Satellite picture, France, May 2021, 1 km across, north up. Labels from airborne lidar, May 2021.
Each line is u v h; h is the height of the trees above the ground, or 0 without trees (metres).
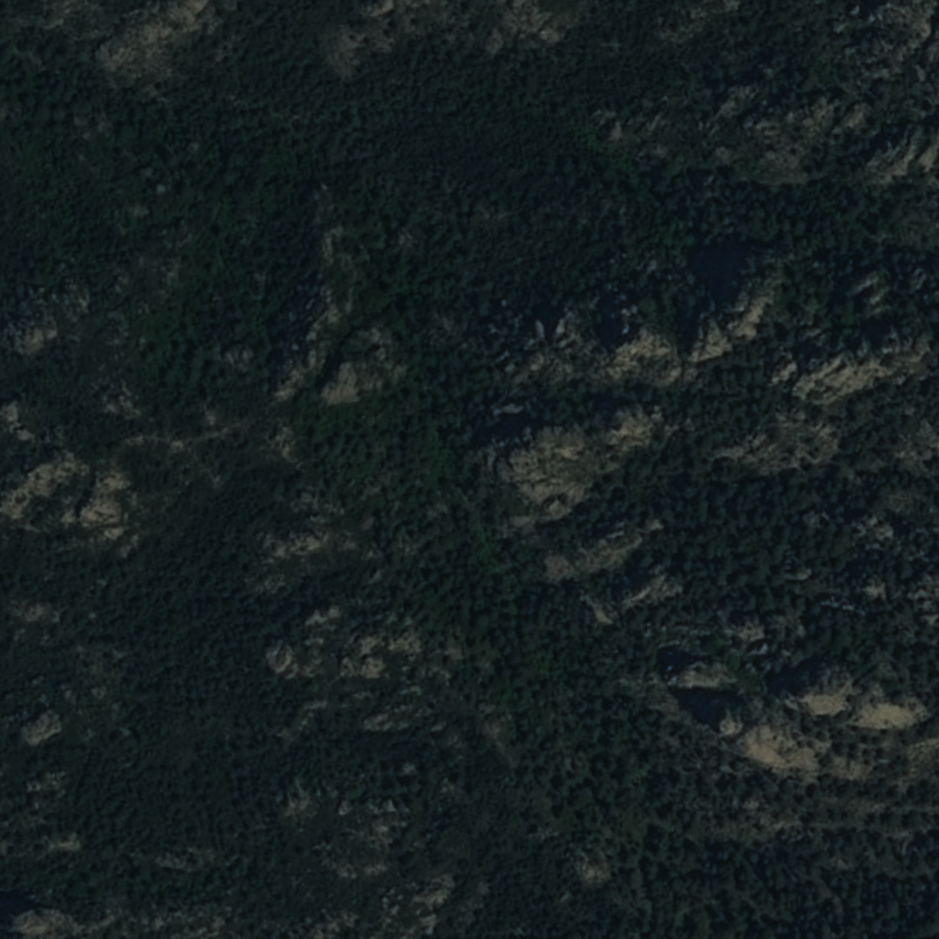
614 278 8
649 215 11
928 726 18
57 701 8
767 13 13
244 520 13
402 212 12
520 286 14
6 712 6
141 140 11
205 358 11
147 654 21
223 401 8
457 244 10
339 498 7
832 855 10
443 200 6
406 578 22
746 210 23
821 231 32
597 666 29
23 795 15
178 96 19
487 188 12
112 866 25
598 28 9
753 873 32
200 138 9
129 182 13
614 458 11
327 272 9
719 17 10
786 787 21
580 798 34
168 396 7
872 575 11
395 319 14
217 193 6
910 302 28
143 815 19
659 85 13
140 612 21
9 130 7
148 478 10
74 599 17
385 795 6
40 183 12
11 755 8
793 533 25
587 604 14
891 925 25
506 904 18
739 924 31
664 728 23
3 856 13
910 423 21
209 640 21
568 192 11
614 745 33
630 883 17
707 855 35
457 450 24
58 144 17
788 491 34
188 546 14
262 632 17
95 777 16
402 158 9
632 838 16
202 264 13
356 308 15
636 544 16
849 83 17
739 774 14
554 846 13
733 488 28
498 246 10
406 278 15
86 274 7
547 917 17
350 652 14
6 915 8
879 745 15
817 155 16
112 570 22
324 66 7
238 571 18
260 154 26
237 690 19
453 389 33
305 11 13
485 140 10
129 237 11
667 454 14
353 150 22
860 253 11
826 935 29
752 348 24
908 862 14
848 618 22
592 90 13
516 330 17
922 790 10
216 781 12
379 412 8
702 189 11
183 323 11
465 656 13
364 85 19
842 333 7
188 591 15
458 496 9
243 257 10
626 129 12
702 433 16
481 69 16
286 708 19
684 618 18
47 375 15
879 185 8
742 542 20
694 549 19
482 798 8
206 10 11
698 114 21
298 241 12
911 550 11
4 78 15
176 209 11
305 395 20
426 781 13
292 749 11
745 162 6
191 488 13
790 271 16
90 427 12
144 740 27
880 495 24
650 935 22
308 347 8
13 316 6
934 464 20
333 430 8
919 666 18
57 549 14
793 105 11
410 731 11
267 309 11
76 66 13
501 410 8
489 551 13
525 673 30
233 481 9
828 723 15
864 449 25
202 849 10
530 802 7
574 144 8
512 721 7
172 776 16
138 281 8
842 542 24
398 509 11
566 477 0
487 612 20
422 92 18
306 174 11
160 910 6
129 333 6
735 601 16
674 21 9
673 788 16
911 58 11
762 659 11
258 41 10
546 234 25
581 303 8
